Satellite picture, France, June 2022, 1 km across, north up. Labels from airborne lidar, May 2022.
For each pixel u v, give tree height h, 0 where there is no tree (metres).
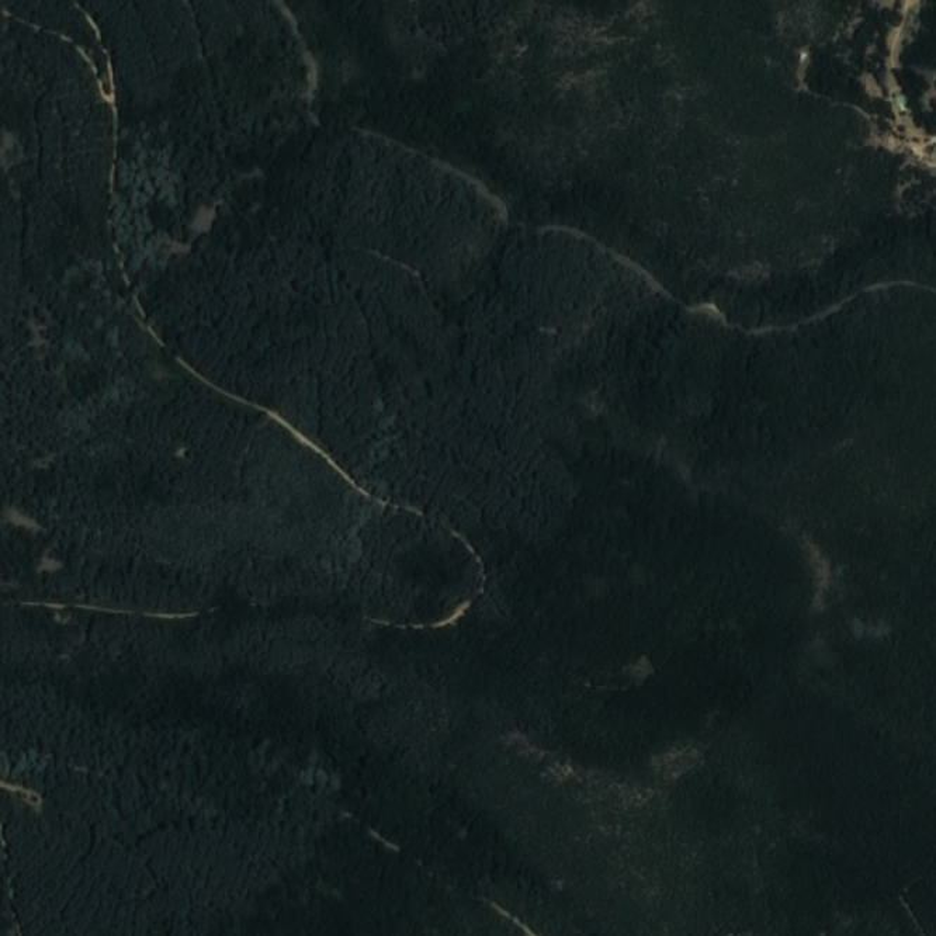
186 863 17
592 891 7
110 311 11
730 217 6
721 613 12
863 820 11
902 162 9
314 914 6
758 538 13
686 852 6
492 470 16
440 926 8
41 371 21
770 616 14
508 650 13
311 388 11
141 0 17
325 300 22
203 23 18
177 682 15
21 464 16
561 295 18
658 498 13
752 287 10
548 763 8
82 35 18
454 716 9
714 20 8
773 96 10
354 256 21
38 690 30
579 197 17
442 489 14
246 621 13
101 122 17
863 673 9
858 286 12
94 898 17
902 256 10
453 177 11
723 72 9
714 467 6
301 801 20
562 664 13
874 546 8
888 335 10
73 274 18
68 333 16
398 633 11
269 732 22
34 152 12
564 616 9
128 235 15
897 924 11
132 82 20
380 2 9
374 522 13
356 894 15
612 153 6
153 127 15
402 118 11
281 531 9
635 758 10
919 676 12
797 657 11
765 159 7
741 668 14
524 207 12
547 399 11
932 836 12
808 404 12
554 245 16
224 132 7
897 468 6
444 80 11
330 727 17
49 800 19
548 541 10
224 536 8
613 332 15
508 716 8
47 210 11
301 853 19
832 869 12
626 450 6
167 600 16
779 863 8
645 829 5
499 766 7
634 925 7
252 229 18
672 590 10
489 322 19
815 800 8
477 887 17
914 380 9
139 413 9
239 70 13
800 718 9
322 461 8
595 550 7
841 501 8
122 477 15
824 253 7
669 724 15
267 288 17
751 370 16
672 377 12
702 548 11
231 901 14
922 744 7
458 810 22
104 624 16
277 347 11
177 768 24
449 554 9
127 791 25
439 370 8
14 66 8
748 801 7
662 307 15
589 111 7
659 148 6
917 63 15
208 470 14
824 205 7
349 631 15
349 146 16
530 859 9
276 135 21
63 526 15
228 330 19
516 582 8
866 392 8
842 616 7
